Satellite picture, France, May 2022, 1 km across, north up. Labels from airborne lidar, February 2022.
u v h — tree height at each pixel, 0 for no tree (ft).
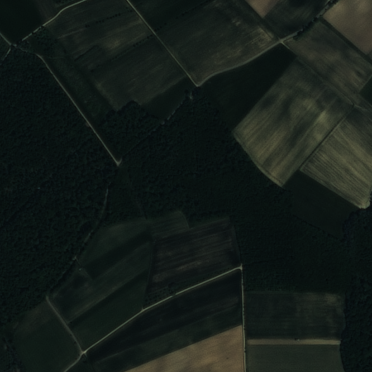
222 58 0
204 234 0
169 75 0
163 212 53
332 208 0
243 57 0
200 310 0
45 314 0
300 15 0
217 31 0
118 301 0
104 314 0
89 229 73
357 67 0
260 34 0
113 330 0
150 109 0
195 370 0
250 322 0
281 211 65
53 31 0
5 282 90
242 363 0
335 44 0
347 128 0
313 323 0
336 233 0
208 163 34
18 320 0
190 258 0
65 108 62
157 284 0
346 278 48
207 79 0
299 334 0
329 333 0
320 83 0
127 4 0
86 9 0
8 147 55
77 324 0
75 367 0
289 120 0
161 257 0
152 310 0
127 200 32
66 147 58
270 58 0
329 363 0
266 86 0
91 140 76
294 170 0
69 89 0
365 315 84
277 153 0
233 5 0
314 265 56
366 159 0
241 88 0
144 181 61
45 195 85
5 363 0
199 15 0
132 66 0
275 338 0
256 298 0
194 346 0
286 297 0
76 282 0
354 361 69
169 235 0
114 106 0
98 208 74
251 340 0
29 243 91
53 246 94
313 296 0
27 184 50
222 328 0
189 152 25
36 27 0
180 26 0
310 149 0
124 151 57
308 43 0
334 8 0
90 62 0
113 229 0
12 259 92
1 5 0
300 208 0
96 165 64
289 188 0
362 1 0
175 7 0
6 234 80
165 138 76
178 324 0
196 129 31
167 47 0
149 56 0
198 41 0
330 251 53
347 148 0
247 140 0
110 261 0
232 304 0
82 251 51
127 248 0
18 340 0
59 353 0
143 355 0
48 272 95
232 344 0
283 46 0
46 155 51
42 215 85
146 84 0
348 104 0
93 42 0
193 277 0
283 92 0
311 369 0
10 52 19
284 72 0
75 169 81
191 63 0
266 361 0
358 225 66
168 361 0
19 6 0
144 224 0
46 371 0
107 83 0
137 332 0
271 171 0
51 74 61
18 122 64
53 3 0
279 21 0
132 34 0
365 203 0
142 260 0
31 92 78
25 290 101
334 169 0
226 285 0
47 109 79
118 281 0
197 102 52
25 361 0
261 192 52
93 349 0
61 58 0
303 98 0
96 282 0
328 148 0
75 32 0
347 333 60
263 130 0
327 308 0
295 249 51
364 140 0
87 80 0
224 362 0
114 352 0
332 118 0
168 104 0
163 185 82
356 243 65
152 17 0
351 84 0
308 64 0
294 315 0
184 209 41
